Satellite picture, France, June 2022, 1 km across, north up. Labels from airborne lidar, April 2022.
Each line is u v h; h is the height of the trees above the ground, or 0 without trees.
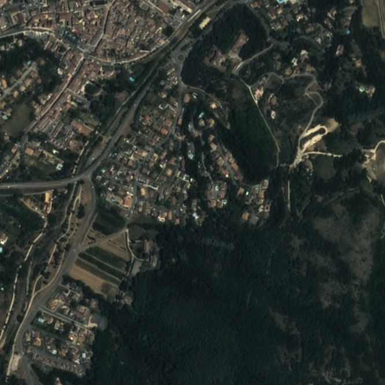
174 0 0
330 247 9
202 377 16
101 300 18
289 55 8
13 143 6
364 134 14
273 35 19
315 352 11
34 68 0
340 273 7
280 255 9
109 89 7
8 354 7
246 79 7
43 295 0
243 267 14
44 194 6
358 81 15
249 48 20
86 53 0
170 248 23
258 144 7
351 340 10
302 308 13
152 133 0
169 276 22
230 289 12
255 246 10
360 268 0
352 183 9
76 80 0
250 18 19
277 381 11
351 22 10
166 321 20
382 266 6
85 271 0
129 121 0
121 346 17
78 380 17
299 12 8
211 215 16
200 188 10
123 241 0
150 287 18
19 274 9
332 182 10
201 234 17
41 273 9
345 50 14
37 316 7
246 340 11
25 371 0
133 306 18
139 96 10
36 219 8
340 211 0
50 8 0
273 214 13
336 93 14
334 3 14
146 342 14
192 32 11
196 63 14
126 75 17
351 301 7
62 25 0
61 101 0
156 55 0
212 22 9
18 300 0
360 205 8
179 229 13
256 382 11
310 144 0
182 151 13
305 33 7
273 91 6
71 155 9
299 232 12
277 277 9
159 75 8
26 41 12
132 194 0
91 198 0
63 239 15
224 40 13
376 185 12
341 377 6
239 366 12
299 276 8
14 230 0
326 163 0
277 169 10
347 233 0
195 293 15
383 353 6
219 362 17
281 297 9
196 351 16
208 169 10
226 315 14
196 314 17
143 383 19
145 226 16
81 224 0
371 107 7
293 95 9
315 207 10
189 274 22
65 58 0
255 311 9
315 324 9
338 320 7
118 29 0
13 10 0
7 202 6
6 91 0
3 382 7
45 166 0
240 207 16
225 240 19
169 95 12
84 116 0
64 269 0
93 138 7
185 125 9
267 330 10
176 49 0
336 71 13
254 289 7
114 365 11
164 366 22
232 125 8
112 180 0
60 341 9
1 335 0
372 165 0
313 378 7
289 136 10
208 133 12
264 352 11
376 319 9
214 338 10
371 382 7
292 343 11
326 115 11
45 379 14
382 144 0
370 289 6
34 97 8
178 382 19
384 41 17
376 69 12
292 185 11
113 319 18
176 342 13
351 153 12
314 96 0
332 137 11
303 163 14
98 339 20
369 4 0
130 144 0
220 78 10
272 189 8
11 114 11
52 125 0
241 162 18
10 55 6
